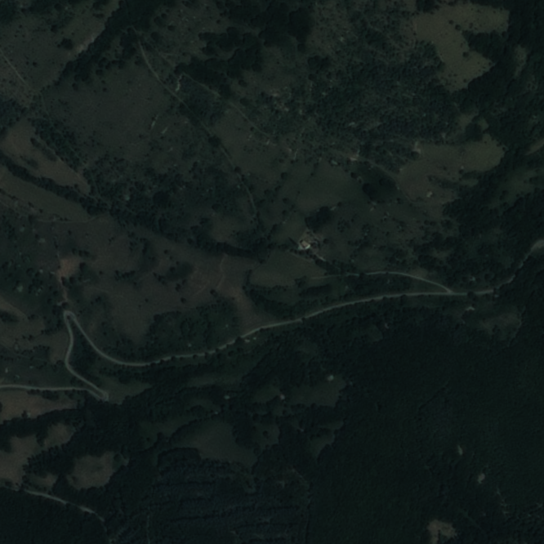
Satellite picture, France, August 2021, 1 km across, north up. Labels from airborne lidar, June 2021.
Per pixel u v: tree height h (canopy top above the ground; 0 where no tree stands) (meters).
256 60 9
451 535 0
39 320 0
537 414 14
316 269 0
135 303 0
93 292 0
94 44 12
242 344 14
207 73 14
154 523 6
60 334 0
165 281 7
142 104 0
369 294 7
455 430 14
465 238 13
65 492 16
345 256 0
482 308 0
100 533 19
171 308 0
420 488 19
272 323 0
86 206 14
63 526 19
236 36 13
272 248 12
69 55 0
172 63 0
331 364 13
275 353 11
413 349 23
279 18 16
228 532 14
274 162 0
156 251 0
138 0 10
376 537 19
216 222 0
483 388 18
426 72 10
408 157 8
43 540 23
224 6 8
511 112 8
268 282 0
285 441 17
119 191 6
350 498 19
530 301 10
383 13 5
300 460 22
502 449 13
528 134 11
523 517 13
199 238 11
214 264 0
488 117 15
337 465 14
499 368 16
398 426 17
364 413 23
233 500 18
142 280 0
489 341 9
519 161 13
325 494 15
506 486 10
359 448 18
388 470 17
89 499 20
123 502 19
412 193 0
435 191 0
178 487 14
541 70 13
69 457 13
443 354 21
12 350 0
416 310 9
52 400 12
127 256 0
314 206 0
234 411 13
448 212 8
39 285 11
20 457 0
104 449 20
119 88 0
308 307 7
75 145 7
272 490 12
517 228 17
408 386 19
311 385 11
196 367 8
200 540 13
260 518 16
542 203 16
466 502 17
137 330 0
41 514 13
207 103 8
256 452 12
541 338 22
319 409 10
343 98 6
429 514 15
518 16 22
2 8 9
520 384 11
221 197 5
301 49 14
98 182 7
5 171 0
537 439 9
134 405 11
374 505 15
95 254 0
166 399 10
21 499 16
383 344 15
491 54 19
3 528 17
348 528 15
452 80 0
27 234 0
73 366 7
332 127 12
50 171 0
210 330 7
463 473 18
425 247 10
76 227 0
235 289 0
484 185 11
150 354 8
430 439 16
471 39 13
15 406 0
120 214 12
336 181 0
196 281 0
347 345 13
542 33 20
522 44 13
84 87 0
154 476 14
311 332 13
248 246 6
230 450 0
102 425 15
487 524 16
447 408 17
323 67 11
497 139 16
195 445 0
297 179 0
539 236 17
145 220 14
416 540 11
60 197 13
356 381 13
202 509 18
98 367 0
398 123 12
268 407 13
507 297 13
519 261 13
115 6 0
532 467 12
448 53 0
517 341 11
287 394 16
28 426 18
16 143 0
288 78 0
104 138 0
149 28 9
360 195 0
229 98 10
